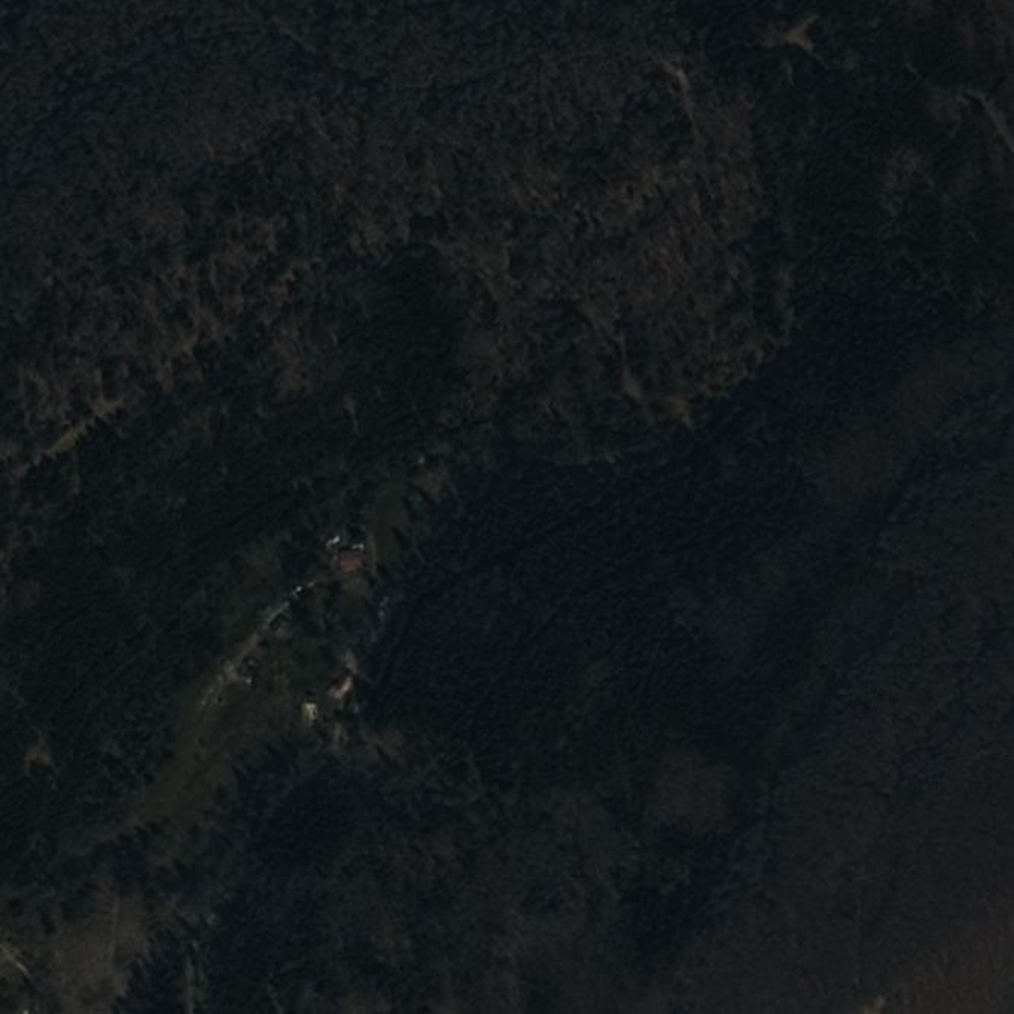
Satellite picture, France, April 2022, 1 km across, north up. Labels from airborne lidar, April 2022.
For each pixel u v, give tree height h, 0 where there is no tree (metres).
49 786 24
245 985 15
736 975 24
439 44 35
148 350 29
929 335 24
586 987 18
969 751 21
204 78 30
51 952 0
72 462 25
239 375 24
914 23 18
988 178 19
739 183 30
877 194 22
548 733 20
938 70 18
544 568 22
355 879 23
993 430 17
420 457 19
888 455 21
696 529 25
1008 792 16
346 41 29
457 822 24
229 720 0
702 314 20
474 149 28
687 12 11
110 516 30
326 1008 21
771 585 29
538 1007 21
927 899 18
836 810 21
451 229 38
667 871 11
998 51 17
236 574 22
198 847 14
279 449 28
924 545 28
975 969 14
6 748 27
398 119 26
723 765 19
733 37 19
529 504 29
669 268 30
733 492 24
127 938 0
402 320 29
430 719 25
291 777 22
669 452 23
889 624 14
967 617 27
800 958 22
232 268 19
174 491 27
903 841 16
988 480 28
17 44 28
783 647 21
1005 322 18
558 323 32
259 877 26
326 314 25
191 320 27
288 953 17
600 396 15
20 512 23
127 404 12
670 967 16
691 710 24
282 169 30
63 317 19
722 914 23
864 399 21
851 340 27
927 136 22
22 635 27
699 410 30
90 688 27
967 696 14
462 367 17
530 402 23
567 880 23
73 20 30
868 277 21
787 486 22
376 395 20
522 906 18
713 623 23
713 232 29
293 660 0
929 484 26
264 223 21
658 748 20
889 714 25
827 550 23
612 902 20
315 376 28
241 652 10
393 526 0
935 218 23
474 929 19
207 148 24
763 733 20
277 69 23
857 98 24
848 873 10
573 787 22
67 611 27
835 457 22
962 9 16
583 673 20
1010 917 12
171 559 25
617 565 23
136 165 20
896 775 20
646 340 22
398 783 17
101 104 25
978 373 20
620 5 28
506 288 31
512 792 21
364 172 28
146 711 26
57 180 24
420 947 26
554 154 30
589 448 24
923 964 16
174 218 25
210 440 26
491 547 22
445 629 24
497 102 11
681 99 24
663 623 22
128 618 27
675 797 18
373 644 19
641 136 26
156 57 24
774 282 24
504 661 22
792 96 19
